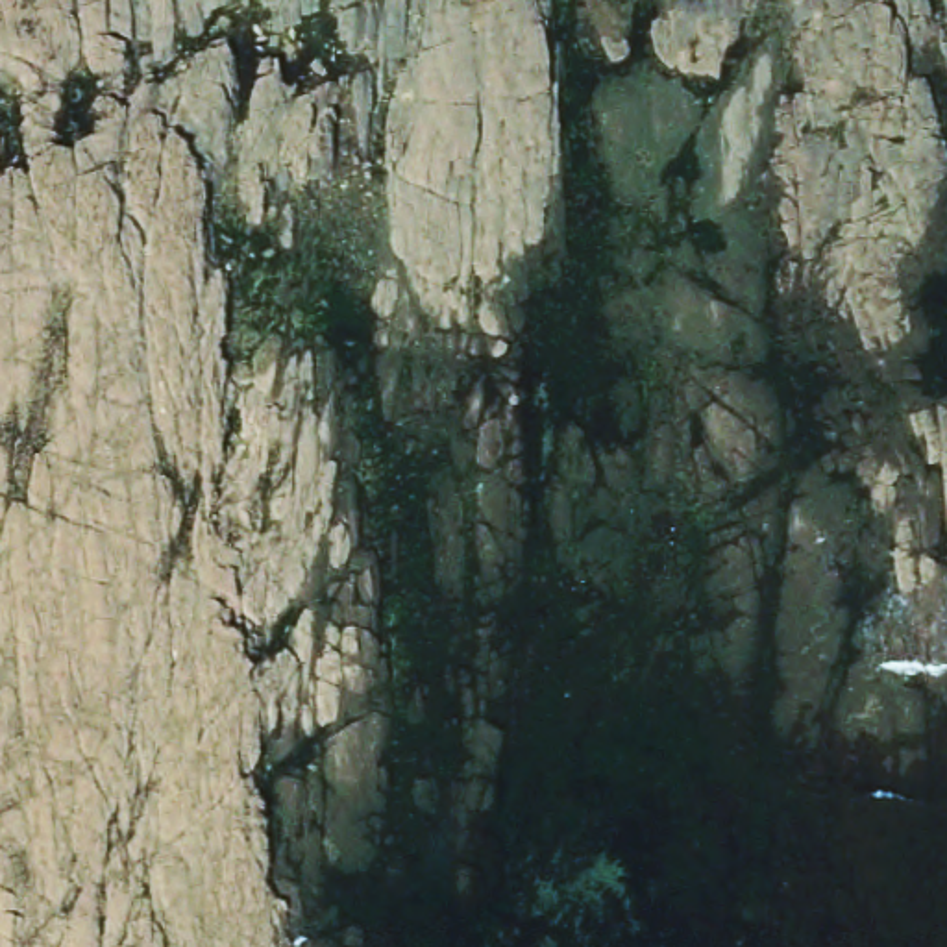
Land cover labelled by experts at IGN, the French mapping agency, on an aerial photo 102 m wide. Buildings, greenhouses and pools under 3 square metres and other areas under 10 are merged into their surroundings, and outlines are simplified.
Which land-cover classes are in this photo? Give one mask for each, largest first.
<instances>
[{"label":"water","instance_id":"1","mask_svg":"<svg viewBox=\"0 0 947 947\"><path fill-rule=\"evenodd\" d=\"M536 15L544 18L547 37V78L551 85H559V185L544 203V237L518 259L499 263L496 277H470L466 322L440 326L418 300L407 263L388 244L385 104L366 111V141H355V111L333 104V178L322 189L314 181L300 189H281L270 174V163H259V226H252L244 218V203L222 196L215 181L203 185V277L222 274L226 281V374L252 366L266 340H277V359L311 355V411L314 418L329 422V462L337 470L329 522L344 525V533L351 536L344 566H333V544L318 540L314 566L300 596L277 614L274 625H252L244 614L229 607L226 596H215L218 618L226 629L240 636V651L248 662H270L274 655H281L292 644L300 614L311 610L314 651L326 655V629H355L359 640L363 692H355L351 684H337L333 721L311 732L292 721H277L270 732L259 736L255 792L263 799L266 888L274 899L285 903L281 925L296 936H307V947H947V673H943V677H917V673H914V677H906V673H888V670H884V662H892V658H917V662H943V666H947V507L943 470L929 462L925 444L910 429V414L947 407V170L940 181V196L925 218V237L899 259L895 274L903 311L910 314L906 337L880 348H862L855 322L829 307L825 296L777 292V274L784 266L788 240L781 233V178L773 166V155L781 148L777 111L788 96L803 92L795 70V33L788 0H755V15L740 18L736 41L725 48L721 70L714 78H695L666 67L651 48V22L662 15V0H536ZM758 55H769L773 74L766 100L758 107V141L744 166L740 192L729 203L721 200V111L732 89L751 81ZM862 462L895 470V496L880 510L873 507V492L858 477ZM903 518L910 522V559L936 562L932 584L910 588V607H899V584L892 566L895 522ZM906 78L925 81L936 107V137L947 148V70L936 48H903Z\"/></svg>","mask_w":947,"mask_h":947},{"label":"bare soil","instance_id":"2","mask_svg":"<svg viewBox=\"0 0 947 947\"><path fill-rule=\"evenodd\" d=\"M333 104L355 111V141H366V111L385 104L388 244L407 263L418 300L440 326L466 322L470 277H496L499 263L518 259L544 237V203L559 185V85H551L547 78V37L544 18L536 15V0H0V947H307V936H296L281 925L285 903L274 899L266 888L263 799L255 792L259 736L270 732L277 721H292L311 732L333 721L337 684H351L355 692H363L359 640L355 629H326V655L314 651L311 610L300 614L292 644L281 655H274L270 662H248L240 651V636L226 629L218 618L215 596H226L229 607L244 614L252 625H274L277 614L300 596L314 566L318 540L333 544V566H344L351 536L344 533V525L329 522L337 470L329 462V422L314 418L311 411V355L277 359V340H266L252 366L226 374V281L222 274L203 277V185L215 181L222 196L244 203V218L252 226H259V163H270V174L281 189H300L314 181L322 189L333 178ZM755 15V0H662V15L651 22V48L666 67L695 78H714L721 70L725 48L736 41L740 18ZM795 33V70L803 92L788 96L777 111L781 148L773 155V166L781 178V233L788 240L784 266L777 274V292L825 296L829 307L855 322L862 348H880L906 337L910 314L903 311L895 274L899 259L925 237V218L940 196V181L947 170V148L936 137V107L925 81L906 78L903 48H936L947 70V0H788ZM773 74L769 55H758L751 81L732 89L721 111V200L729 203L740 192L744 166L758 141V107L766 100ZM910 429L925 444L929 462L943 470L947 507V407L910 414ZM858 477L873 492V507L880 510L895 496V470L862 462ZM892 566L899 584V607H910V588L932 584L936 562L910 559V522L903 518L895 522ZM884 670H888V673H906V677H914V673H917V677H943V673H947V666H943V662H917V658H892V662H884Z\"/></svg>","mask_w":947,"mask_h":947}]
</instances>
